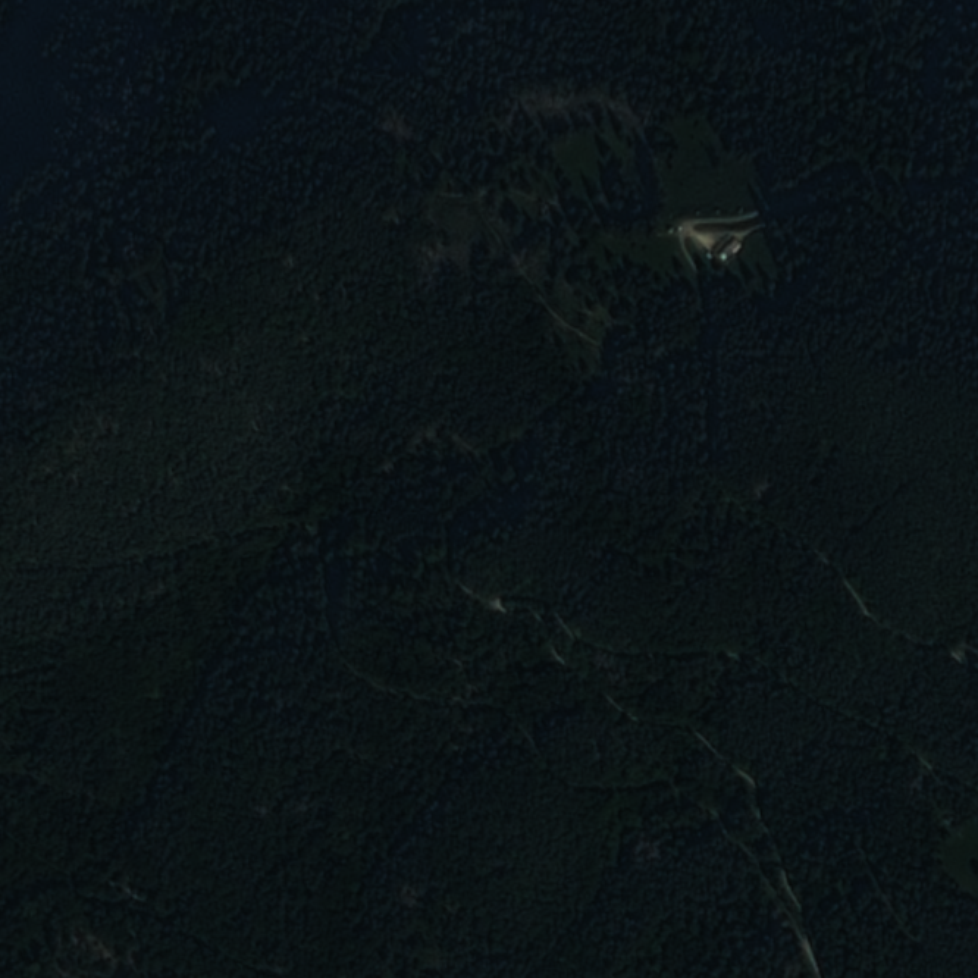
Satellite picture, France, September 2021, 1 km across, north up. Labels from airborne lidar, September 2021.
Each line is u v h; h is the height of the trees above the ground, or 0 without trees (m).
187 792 23
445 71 28
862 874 27
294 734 30
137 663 26
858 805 20
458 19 24
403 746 21
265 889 28
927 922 28
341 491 23
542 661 12
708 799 16
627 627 21
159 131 27
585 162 0
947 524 16
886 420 14
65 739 29
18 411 24
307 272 16
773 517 20
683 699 24
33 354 24
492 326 29
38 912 26
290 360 17
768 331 23
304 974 31
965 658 0
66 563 15
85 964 27
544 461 33
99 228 29
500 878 21
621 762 10
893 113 21
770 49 6
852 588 16
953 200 28
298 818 28
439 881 25
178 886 29
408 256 22
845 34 22
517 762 29
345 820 21
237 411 14
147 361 18
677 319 30
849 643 19
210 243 28
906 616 11
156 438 16
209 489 19
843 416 16
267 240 24
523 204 0
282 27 30
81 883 21
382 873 30
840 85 15
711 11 28
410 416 33
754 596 28
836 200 19
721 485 26
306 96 23
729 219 0
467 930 11
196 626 20
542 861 21
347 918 24
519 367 32
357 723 25
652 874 28
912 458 15
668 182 0
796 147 23
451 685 13
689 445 31
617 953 35
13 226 33
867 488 17
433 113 25
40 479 14
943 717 19
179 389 13
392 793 26
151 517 20
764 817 22
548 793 24
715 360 31
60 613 24
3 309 22
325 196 24
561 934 30
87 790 20
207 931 31
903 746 15
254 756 25
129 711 23
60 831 19
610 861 26
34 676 17
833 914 26
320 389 19
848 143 22
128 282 26
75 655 24
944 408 14
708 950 20
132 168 30
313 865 25
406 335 24
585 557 29
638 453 30
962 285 28
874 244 21
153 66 26
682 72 15
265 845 27
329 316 15
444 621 16
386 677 7
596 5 13
